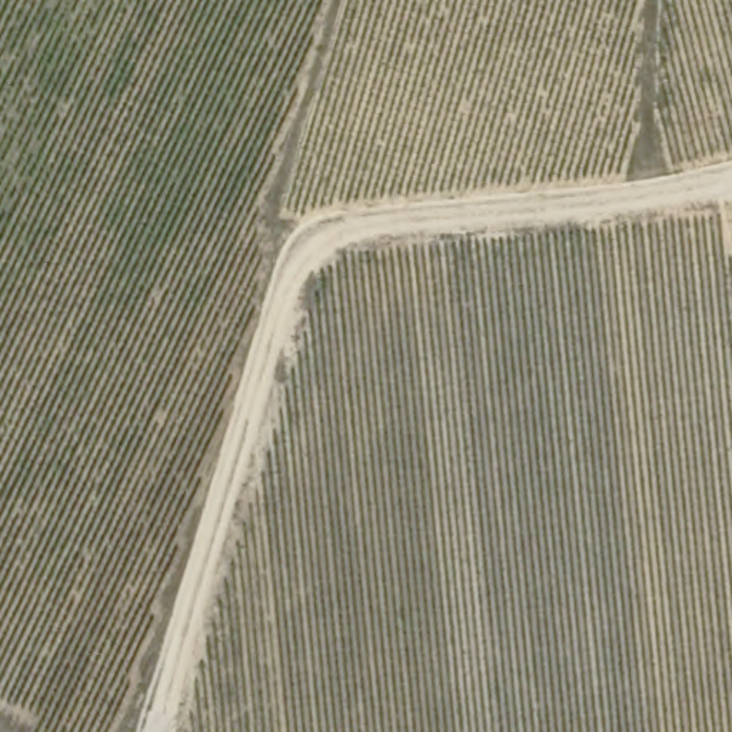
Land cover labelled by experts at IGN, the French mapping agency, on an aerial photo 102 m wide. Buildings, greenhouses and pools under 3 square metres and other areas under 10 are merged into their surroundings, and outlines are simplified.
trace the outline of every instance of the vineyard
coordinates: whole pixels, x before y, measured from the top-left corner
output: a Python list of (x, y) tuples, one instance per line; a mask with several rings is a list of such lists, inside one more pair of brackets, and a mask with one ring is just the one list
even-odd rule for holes
[(212, 486), (212, 475), (220, 458), (226, 423), (252, 349), (257, 315), (272, 283), (275, 260), (280, 254), (286, 232), (306, 212), (340, 200), (380, 200), (455, 189), (478, 192), (495, 183), (512, 186), (520, 180), (549, 183), (623, 174), (626, 180), (643, 180), (681, 174), (683, 163), (698, 163), (701, 157), (718, 152), (732, 152), (732, 0), (0, 0), (0, 732), (137, 732), (143, 698), (152, 686), (154, 666), (160, 661), (172, 609), (183, 583), (183, 572)]
[(272, 432), (272, 446), (266, 446), (266, 463), (260, 475), (263, 489), (254, 495), (252, 503), (240, 498), (234, 500), (232, 523), (226, 529), (220, 549), (220, 558), (229, 563), (229, 569), (214, 592), (214, 600), (206, 606), (206, 655), (197, 661), (194, 709), (189, 721), (180, 723), (174, 732), (732, 732), (732, 200), (683, 203), (675, 206), (669, 214), (661, 209), (615, 214), (600, 220), (598, 229), (578, 223), (520, 226), (512, 237), (495, 240), (486, 237), (486, 229), (472, 229), (466, 234), (380, 234), (369, 243), (340, 249), (335, 263), (326, 263), (317, 275), (309, 275), (300, 295), (303, 317), (297, 320), (292, 335), (295, 355), (277, 357), (275, 366), (275, 383), (283, 389), (286, 406), (277, 412), (277, 429)]

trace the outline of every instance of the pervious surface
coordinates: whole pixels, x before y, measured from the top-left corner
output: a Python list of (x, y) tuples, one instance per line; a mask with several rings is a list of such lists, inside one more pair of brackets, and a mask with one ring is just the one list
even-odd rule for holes
[(272, 432), (277, 429), (277, 412), (286, 406), (283, 389), (275, 383), (275, 366), (277, 357), (295, 355), (292, 335), (297, 320), (303, 317), (300, 295), (309, 275), (317, 275), (326, 263), (335, 263), (340, 249), (369, 243), (380, 234), (466, 234), (472, 229), (486, 229), (486, 237), (495, 240), (512, 237), (520, 226), (578, 223), (598, 229), (600, 220), (615, 214), (661, 209), (669, 214), (675, 206), (683, 203), (732, 200), (732, 152), (718, 152), (701, 157), (698, 163), (683, 163), (681, 174), (643, 180), (626, 180), (623, 174), (549, 183), (520, 180), (512, 186), (495, 183), (478, 192), (455, 189), (380, 200), (340, 200), (306, 212), (286, 232), (280, 254), (275, 260), (272, 283), (257, 315), (252, 349), (226, 423), (220, 458), (212, 475), (212, 486), (183, 572), (183, 583), (172, 609), (160, 661), (154, 666), (152, 686), (143, 698), (137, 732), (174, 732), (180, 723), (189, 721), (194, 709), (197, 661), (206, 655), (206, 606), (214, 600), (214, 592), (229, 569), (229, 563), (220, 558), (220, 549), (226, 529), (232, 523), (234, 500), (240, 498), (252, 503), (254, 495), (263, 489), (260, 475), (266, 463), (266, 446), (272, 446)]

